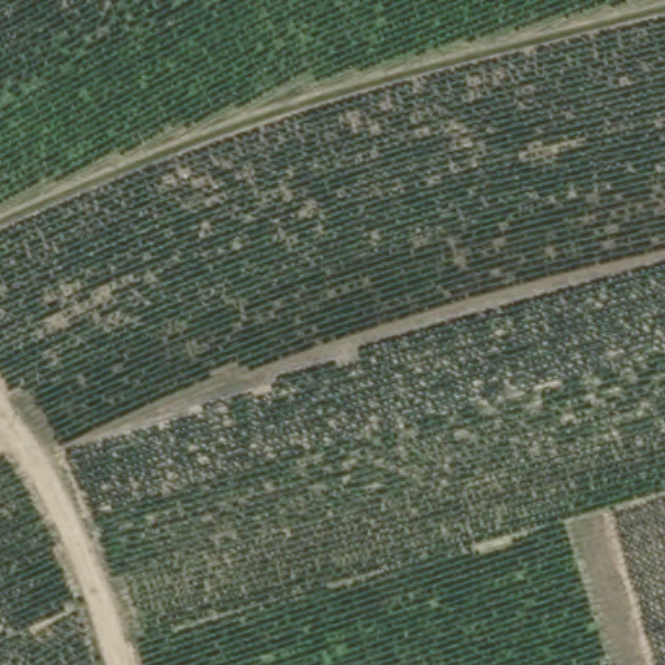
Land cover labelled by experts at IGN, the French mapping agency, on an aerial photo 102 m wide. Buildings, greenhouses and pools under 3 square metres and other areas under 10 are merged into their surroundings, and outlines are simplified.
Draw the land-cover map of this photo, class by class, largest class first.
<instances>
[{"label":"vineyard","instance_id":"1","mask_svg":"<svg viewBox=\"0 0 665 665\"><path fill-rule=\"evenodd\" d=\"M0 377L5 379L13 410L42 442V447L60 442L68 462L73 465V475L81 491L86 494L94 525L101 533L99 543L104 551V569L125 639L138 649L140 665H665V0H0ZM57 530L55 525H47V520L39 514L23 478L0 447V665H107L96 639L88 603L83 595L70 592L65 571L55 558Z\"/></svg>","mask_w":665,"mask_h":665},{"label":"pervious surface","instance_id":"2","mask_svg":"<svg viewBox=\"0 0 665 665\"><path fill-rule=\"evenodd\" d=\"M0 447L23 478L39 514L47 520V525H55L57 530L55 558L65 571L70 592L83 595L88 603L96 639L107 665H140L138 649L125 639L104 569V551L99 543L101 533L94 525L86 494L81 491L73 475V465L68 462L60 442L42 447V442L13 410L5 379L0 377Z\"/></svg>","mask_w":665,"mask_h":665}]
</instances>
